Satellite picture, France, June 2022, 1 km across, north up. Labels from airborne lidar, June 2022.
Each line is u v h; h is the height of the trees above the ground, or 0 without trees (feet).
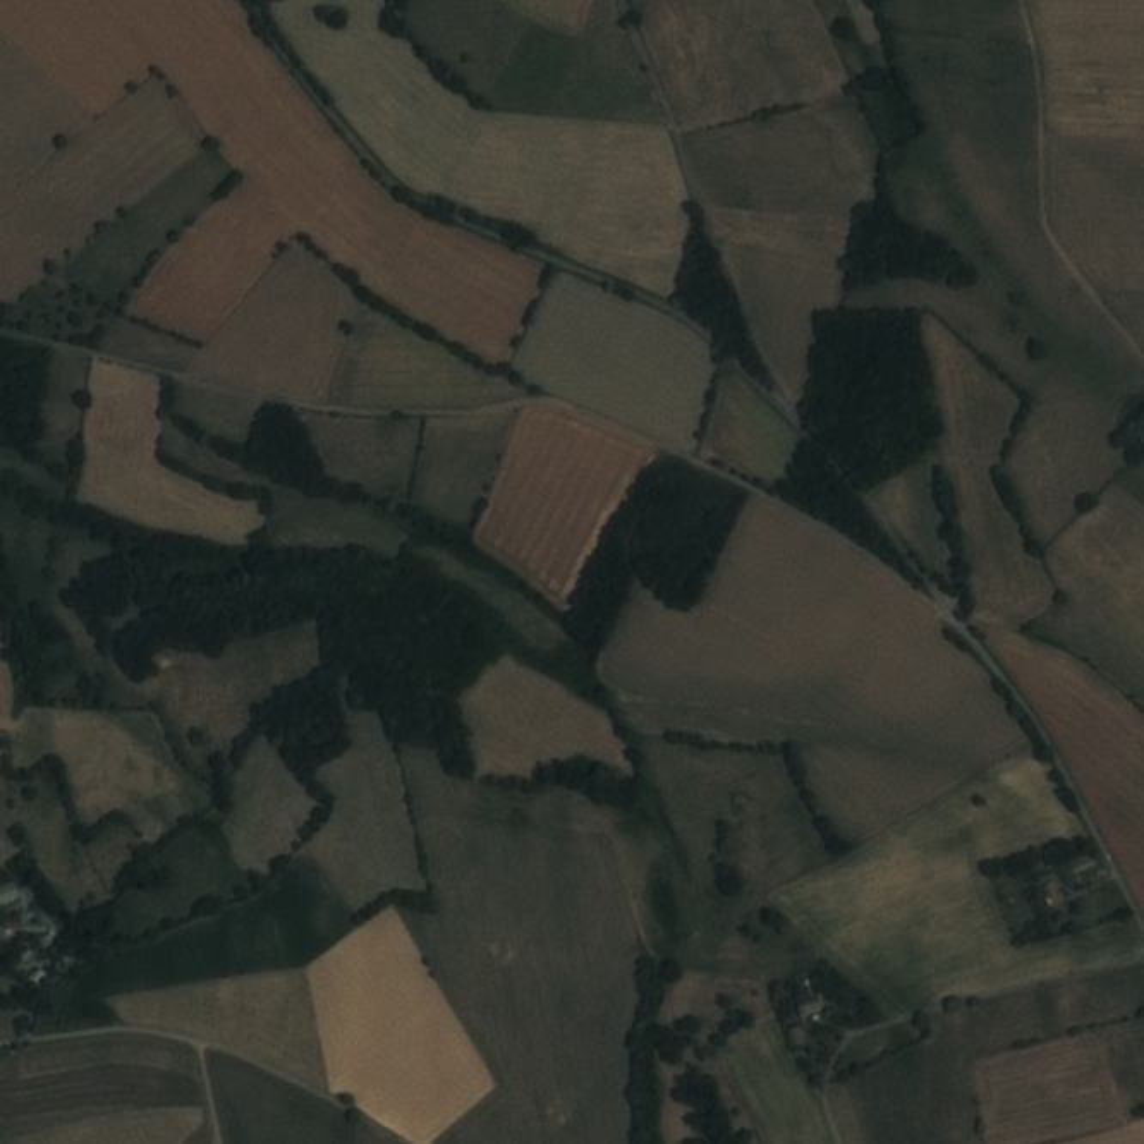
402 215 0
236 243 0
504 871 0
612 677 0
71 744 0
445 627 46
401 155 0
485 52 0
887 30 40
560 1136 0
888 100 0
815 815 38
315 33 0
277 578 65
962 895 0
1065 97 0
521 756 0
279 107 0
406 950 0
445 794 0
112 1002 0
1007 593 0
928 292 0
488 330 0
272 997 0
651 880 0
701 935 0
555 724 0
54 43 0
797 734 0
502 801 0
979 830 0
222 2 0
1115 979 0
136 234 0
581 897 0
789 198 0
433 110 0
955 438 0
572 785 46
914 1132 0
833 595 0
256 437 45
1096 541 0
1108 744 0
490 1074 0
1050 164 0
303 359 0
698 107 0
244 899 48
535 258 0
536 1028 0
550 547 0
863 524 53
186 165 0
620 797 61
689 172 0
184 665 0
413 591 56
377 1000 0
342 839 0
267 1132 0
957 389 0
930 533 0
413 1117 0
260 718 48
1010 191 0
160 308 0
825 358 40
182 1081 0
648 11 0
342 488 55
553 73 0
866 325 54
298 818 0
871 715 0
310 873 0
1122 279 0
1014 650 0
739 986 0
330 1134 0
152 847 24
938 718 0
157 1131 0
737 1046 0
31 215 0
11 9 0
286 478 55
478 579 0
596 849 0
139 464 0
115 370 0
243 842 0
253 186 0
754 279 0
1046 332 0
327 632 48
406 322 42
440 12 0
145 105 0
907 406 67
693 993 0
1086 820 0
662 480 26
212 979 0
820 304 0
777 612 0
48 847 0
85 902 29
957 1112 0
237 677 0
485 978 0
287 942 0
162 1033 0
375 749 0
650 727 0
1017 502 41
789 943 0
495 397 0
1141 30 0
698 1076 55
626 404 0
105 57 0
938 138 0
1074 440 0
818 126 0
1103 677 0
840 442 53
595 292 0
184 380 0
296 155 0
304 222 0
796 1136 0
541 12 0
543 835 0
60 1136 0
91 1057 0
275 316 0
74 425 0
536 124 0
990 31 0
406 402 0
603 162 0
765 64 0
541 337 0
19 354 60
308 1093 0
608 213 0
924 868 0
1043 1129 0
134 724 0
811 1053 36
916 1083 0
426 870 22
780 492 47
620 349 0
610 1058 0
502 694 0
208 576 31
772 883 0
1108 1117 0
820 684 0
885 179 21
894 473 52
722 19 0
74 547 0
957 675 0
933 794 0
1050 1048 0
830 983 24
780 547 0
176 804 0
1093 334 0
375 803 0
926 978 0
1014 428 30
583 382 0
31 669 37
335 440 0
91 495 0
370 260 0
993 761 0
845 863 0
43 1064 0
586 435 0
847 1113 0
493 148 0
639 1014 29
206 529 0
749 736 0
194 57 0
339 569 60
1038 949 0
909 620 0
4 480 39
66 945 40
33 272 0
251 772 0
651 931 0
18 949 36
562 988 0
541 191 0
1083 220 0
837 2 0
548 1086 0
